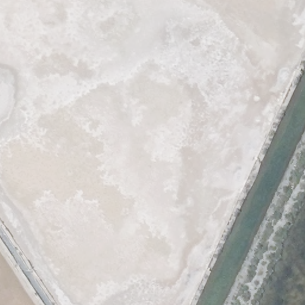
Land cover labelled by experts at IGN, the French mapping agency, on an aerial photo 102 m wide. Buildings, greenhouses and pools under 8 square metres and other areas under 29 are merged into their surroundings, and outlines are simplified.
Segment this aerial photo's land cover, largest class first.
<instances>
[{"label":"pervious surface","instance_id":"1","mask_svg":"<svg viewBox=\"0 0 305 305\"><path fill-rule=\"evenodd\" d=\"M305 64V0H0V229L13 247L17 248V253L23 254L21 259L27 272L32 274L46 298L55 305H195L211 268L216 263L218 251L223 247L225 236L234 223L236 212L242 205L245 192L253 186L259 173L264 149L268 148L273 137L272 132L276 130L281 113L291 100L295 82ZM305 149V132L294 150L284 179L275 191L266 217L256 232L241 272L237 274L235 284L224 305H251L255 293L260 290L267 276L268 256L273 254V250H266L257 264L254 278L250 279L247 276L255 250L259 247L268 223L273 225V231L268 238V244H275L276 232L287 223L286 214L291 212L294 203H297V195L303 192H305V170L282 211L281 219H274L273 214L285 193L291 173L297 167L300 152ZM0 253L36 305H44L0 239Z\"/></svg>","mask_w":305,"mask_h":305},{"label":"water","instance_id":"2","mask_svg":"<svg viewBox=\"0 0 305 305\"><path fill-rule=\"evenodd\" d=\"M305 132V64L295 82L291 100L281 113L276 130L272 132L273 137L268 148L264 149L259 173L253 186L245 192L242 205L236 212L234 223L225 236L223 247L218 251L216 263L211 268L195 305H224L235 284L237 274L241 272L256 232L266 217L275 191L284 179L294 150ZM301 207L295 212L292 225L287 228L286 237L282 242L280 259L273 264L272 273L267 276L260 290L255 293L251 305H305V192H303ZM0 239L44 305H55L46 298L32 274L27 272L21 259L23 254L17 253V248L13 247L0 229ZM0 305H36L0 253Z\"/></svg>","mask_w":305,"mask_h":305},{"label":"brushwood","instance_id":"3","mask_svg":"<svg viewBox=\"0 0 305 305\"><path fill-rule=\"evenodd\" d=\"M305 170V149L300 152L297 167L291 173L285 193L273 214L274 219H281L282 211ZM303 192L297 195V203H294L291 212L286 214L287 223L276 232L275 244H268V238L273 231V225L268 223L259 247L255 250L247 276L250 279L254 278L257 264L266 250H273V254L268 256L267 276L272 273L273 264L280 259L282 242L286 237L287 228L292 225L295 212L301 207Z\"/></svg>","mask_w":305,"mask_h":305}]
</instances>
